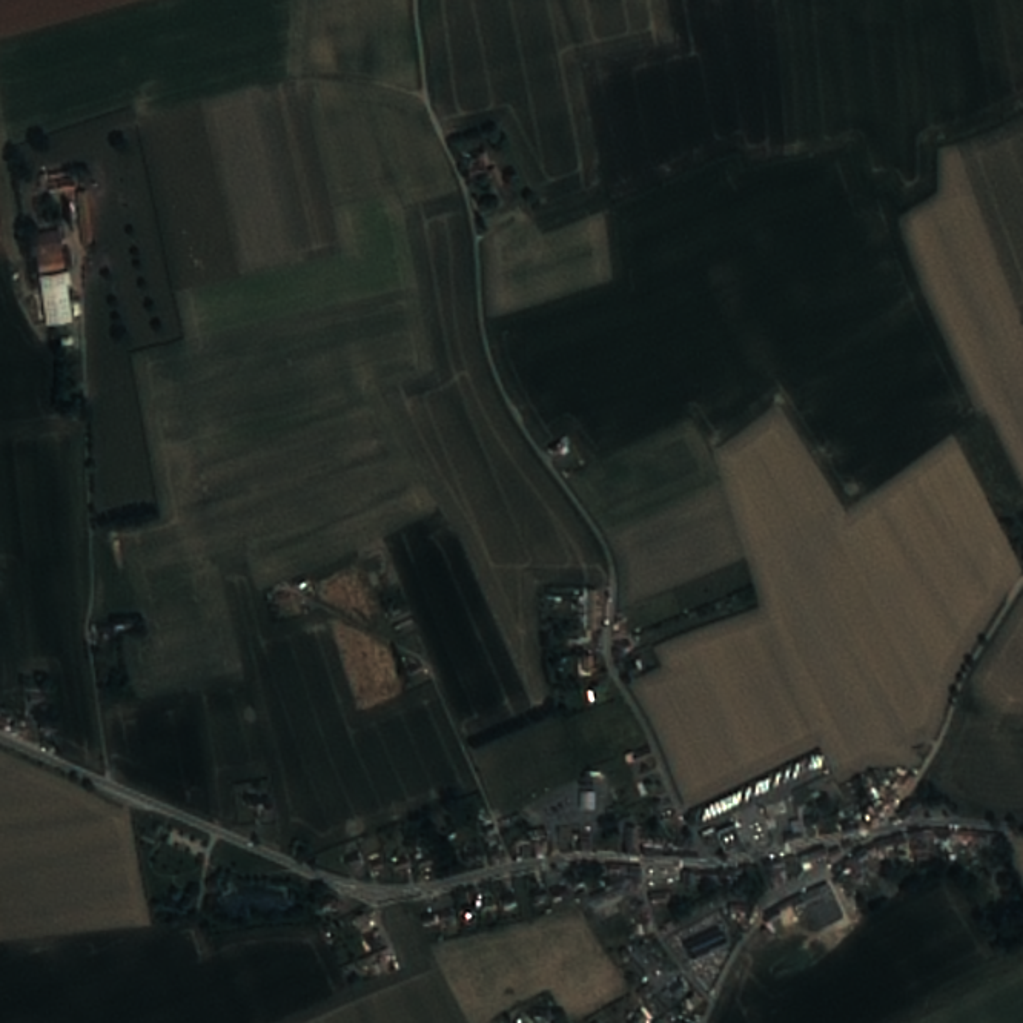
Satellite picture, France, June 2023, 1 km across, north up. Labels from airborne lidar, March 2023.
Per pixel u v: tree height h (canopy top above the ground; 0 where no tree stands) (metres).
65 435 0
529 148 0
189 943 0
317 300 0
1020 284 0
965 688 0
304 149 0
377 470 0
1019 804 0
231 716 0
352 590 0
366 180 0
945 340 0
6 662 0
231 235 0
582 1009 0
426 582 0
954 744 0
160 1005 0
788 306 0
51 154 0
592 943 0
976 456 0
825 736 0
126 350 0
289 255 0
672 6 0
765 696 0
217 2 0
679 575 0
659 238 0
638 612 0
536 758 0
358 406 0
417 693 0
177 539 0
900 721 0
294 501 0
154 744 0
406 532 0
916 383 0
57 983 0
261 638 0
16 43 0
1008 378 0
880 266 0
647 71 0
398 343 0
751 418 0
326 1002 0
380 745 0
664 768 0
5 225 0
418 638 0
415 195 0
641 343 0
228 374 0
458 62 0
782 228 0
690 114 0
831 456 0
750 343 0
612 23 0
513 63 0
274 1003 0
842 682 0
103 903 0
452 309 0
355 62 0
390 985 0
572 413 0
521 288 0
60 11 0
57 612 0
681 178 0
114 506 0
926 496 0
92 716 0
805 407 0
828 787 0
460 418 0
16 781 0
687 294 0
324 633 0
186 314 0
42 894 0
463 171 6
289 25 0
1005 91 0
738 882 10
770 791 0
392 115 0
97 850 0
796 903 0
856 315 0
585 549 0
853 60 0
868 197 0
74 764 0
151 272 0
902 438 0
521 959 0
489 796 0
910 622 0
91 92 0
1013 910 24
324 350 0
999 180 0
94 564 0
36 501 0
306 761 0
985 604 0
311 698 0
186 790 0
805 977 0
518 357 0
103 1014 0
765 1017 0
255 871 0
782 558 0
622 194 0
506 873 0
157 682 0
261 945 0
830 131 0
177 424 0
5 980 0
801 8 0
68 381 13
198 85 0
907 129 0
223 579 0
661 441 0
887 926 0
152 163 0
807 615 0
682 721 0
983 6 0
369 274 0
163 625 0
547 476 0
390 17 0
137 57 0
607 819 10
